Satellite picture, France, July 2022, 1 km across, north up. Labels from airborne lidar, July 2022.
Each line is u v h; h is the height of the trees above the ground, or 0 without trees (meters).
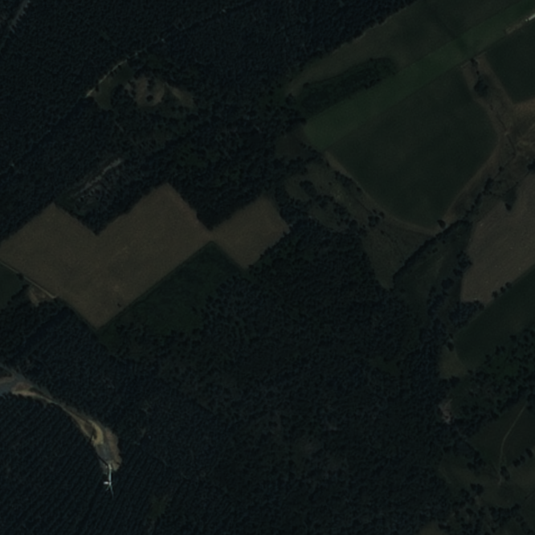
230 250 0
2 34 18
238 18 21
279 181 13
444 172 0
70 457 20
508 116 0
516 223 0
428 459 11
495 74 0
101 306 0
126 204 12
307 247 9
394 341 14
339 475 15
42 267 0
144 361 8
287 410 11
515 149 0
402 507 15
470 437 19
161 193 0
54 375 21
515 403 18
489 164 0
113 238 0
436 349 18
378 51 0
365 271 8
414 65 0
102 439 0
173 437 25
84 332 30
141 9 19
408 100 0
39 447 23
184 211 0
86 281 0
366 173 0
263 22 20
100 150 13
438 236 8
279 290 9
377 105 0
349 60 0
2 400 18
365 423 14
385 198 0
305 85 6
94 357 29
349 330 13
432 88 0
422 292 0
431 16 0
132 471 23
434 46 0
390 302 14
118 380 29
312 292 8
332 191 0
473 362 0
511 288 7
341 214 14
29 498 27
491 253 0
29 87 23
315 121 0
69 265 0
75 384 25
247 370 19
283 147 0
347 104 0
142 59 8
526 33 0
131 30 17
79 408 24
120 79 0
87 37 23
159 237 0
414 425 8
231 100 12
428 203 0
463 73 0
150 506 25
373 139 0
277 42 19
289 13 21
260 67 18
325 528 16
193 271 0
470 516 17
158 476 22
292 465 16
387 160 0
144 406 23
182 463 23
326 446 14
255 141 23
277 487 23
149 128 14
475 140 0
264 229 0
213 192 16
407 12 0
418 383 12
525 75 0
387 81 0
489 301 0
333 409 10
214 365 9
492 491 0
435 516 16
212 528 16
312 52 20
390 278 0
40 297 0
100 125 21
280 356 16
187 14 25
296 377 17
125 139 10
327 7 24
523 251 0
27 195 16
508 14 0
